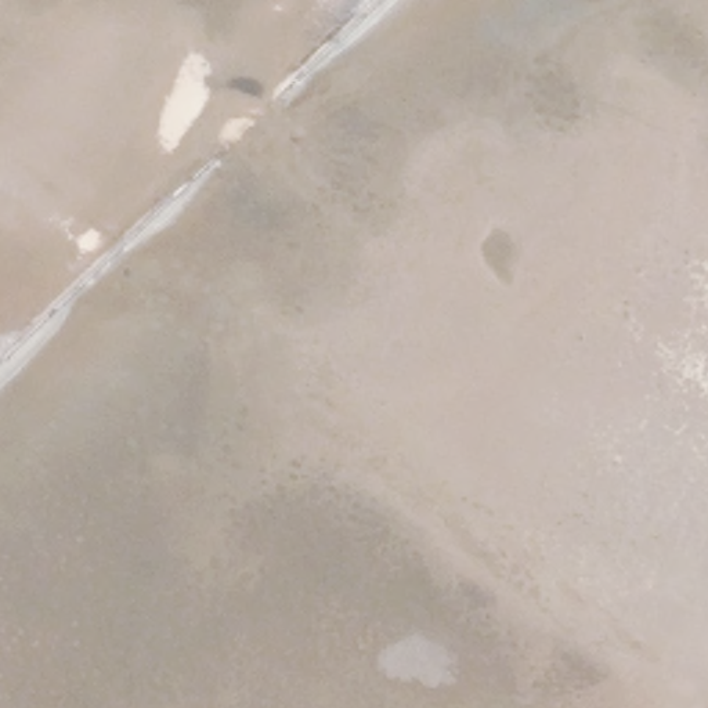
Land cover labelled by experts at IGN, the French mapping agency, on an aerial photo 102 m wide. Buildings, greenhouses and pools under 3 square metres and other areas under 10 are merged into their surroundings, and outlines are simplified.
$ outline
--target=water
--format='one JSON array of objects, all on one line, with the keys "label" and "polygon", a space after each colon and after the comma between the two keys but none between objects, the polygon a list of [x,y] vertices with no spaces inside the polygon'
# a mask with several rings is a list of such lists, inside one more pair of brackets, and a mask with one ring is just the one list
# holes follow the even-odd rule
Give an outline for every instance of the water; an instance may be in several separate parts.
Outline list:
[{"label": "water", "polygon": [[[22,368],[22,373],[0,390],[0,708],[708,708],[708,0],[401,0],[401,6],[387,19],[382,19],[365,39],[360,39],[340,58],[335,58],[326,69],[321,69],[293,100],[282,100],[271,94],[274,86],[299,66],[304,66],[318,47],[335,41],[340,30],[354,19],[354,11],[362,0],[0,0],[0,335],[28,329],[33,318],[44,310],[44,304],[50,304],[72,282],[66,266],[75,263],[83,232],[94,230],[100,241],[108,249],[113,249],[130,232],[130,227],[138,218],[155,213],[174,194],[177,185],[191,183],[207,160],[221,160],[221,169],[185,205],[185,210],[166,230],[152,235],[144,246],[133,249],[94,288],[89,288],[72,304],[64,326],[39,348],[39,354]],[[180,66],[188,55],[202,55],[210,69],[210,75],[205,77],[207,100],[199,116],[183,133],[180,144],[174,149],[163,149],[160,116],[166,100],[177,86]]]}]

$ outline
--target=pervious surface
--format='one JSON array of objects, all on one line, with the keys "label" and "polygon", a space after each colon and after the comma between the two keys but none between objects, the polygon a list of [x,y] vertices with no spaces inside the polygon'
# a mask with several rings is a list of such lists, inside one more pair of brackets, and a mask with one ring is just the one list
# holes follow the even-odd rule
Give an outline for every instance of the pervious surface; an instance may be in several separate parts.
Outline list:
[{"label": "pervious surface", "polygon": [[133,249],[144,246],[152,235],[166,230],[185,210],[185,205],[221,169],[221,160],[207,160],[191,183],[177,185],[174,194],[155,213],[138,218],[130,227],[130,232],[113,249],[108,249],[100,241],[94,230],[83,232],[75,263],[66,266],[72,282],[50,304],[44,304],[44,310],[33,318],[28,329],[0,335],[0,390],[22,373],[22,368],[39,354],[39,348],[64,326],[72,304],[89,288],[94,288]]},{"label": "pervious surface", "polygon": [[199,116],[207,100],[205,77],[210,75],[210,69],[202,55],[188,55],[180,66],[177,86],[166,100],[160,116],[163,149],[174,149],[180,144],[183,133]]},{"label": "pervious surface", "polygon": [[401,0],[362,0],[354,11],[354,19],[340,30],[335,41],[318,47],[304,66],[299,66],[274,86],[271,94],[282,100],[293,100],[321,69],[326,69],[335,58],[340,58],[360,39],[365,39],[382,19],[387,19],[401,6]]}]

